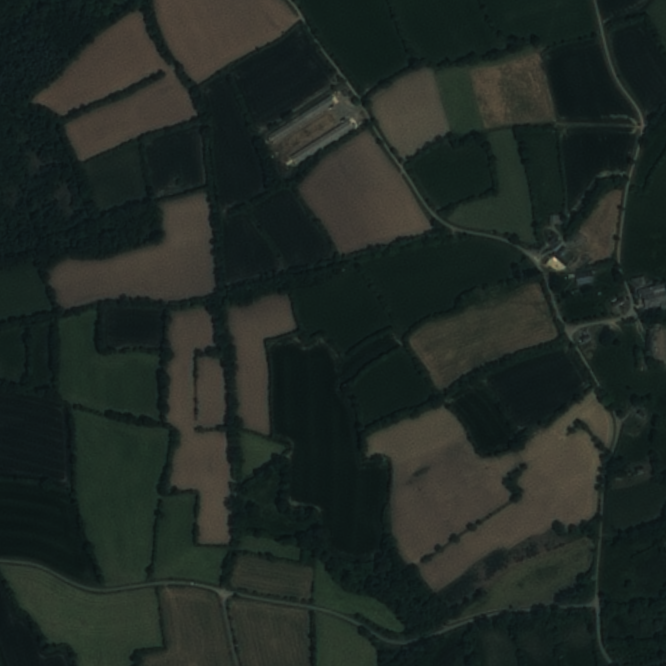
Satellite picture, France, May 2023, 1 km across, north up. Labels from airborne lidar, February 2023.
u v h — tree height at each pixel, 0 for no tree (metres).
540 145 0
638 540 21
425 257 0
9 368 0
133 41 0
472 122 0
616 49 0
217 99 0
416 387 0
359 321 0
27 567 0
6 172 12
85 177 13
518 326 0
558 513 0
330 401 0
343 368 0
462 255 0
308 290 0
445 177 0
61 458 0
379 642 9
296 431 0
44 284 9
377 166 0
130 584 0
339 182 0
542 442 0
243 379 0
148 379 0
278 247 0
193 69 0
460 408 0
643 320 15
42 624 0
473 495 0
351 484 0
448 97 0
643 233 0
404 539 0
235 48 0
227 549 7
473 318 0
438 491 0
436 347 0
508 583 0
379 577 21
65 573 0
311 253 0
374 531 0
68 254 18
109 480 0
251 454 0
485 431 0
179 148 0
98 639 0
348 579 21
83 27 13
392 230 0
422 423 0
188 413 0
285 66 0
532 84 0
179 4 0
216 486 0
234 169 0
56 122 9
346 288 0
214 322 14
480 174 0
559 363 0
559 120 0
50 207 10
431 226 12
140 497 0
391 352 8
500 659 0
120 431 0
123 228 18
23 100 26
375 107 0
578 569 0
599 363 0
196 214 0
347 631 0
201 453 0
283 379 0
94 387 0
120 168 0
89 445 0
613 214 0
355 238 0
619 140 0
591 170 0
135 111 0
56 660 0
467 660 14
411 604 6
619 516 0
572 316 0
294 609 0
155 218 17
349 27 0
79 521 10
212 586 0
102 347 14
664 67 0
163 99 0
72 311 11
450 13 0
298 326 7
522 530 0
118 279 0
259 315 0
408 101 0
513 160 0
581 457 0
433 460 0
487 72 0
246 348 0
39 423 0
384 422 14
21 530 0
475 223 0
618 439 0
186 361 0
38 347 0
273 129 8
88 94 0
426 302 0
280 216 0
